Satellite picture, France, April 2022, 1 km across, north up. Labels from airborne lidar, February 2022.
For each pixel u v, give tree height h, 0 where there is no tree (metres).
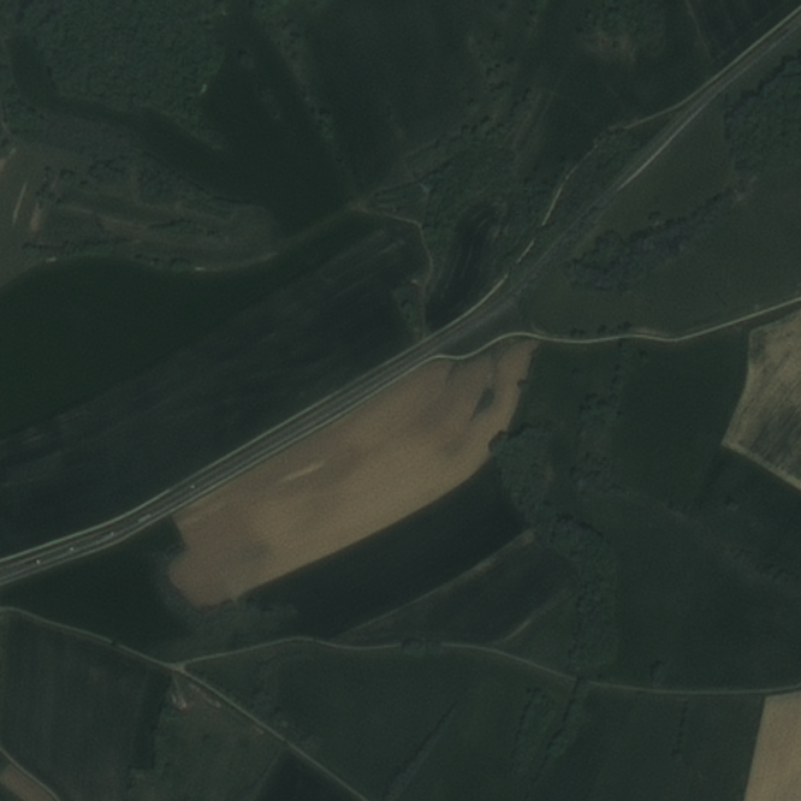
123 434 0
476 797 0
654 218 11
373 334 0
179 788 0
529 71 0
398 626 0
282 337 0
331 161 0
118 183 16
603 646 19
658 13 22
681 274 0
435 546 0
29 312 0
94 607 0
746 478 0
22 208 0
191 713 0
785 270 0
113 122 0
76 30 17
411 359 0
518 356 0
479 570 0
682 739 6
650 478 0
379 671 0
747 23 0
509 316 0
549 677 0
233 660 0
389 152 0
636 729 0
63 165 0
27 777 0
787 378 0
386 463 0
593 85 0
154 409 0
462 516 0
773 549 0
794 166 9
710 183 0
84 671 0
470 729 0
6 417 0
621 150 14
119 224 0
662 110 0
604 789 0
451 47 0
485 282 0
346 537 0
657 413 0
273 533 0
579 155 0
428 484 0
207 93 0
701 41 0
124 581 0
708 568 0
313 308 0
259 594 0
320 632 0
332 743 0
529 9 0
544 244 16
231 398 0
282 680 0
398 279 0
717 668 0
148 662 0
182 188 10
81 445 0
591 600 9
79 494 0
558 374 0
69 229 0
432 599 0
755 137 24
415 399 0
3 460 0
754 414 0
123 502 0
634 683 0
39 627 0
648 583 0
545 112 0
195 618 14
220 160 0
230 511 0
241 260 0
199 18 17
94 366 0
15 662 0
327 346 0
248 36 0
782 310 0
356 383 0
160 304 0
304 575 0
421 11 0
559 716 0
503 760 0
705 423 0
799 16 0
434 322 0
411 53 0
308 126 0
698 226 13
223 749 0
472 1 0
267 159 0
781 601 0
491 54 11
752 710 0
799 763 0
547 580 0
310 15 0
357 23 0
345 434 0
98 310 0
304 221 0
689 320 0
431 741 8
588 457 8
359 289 0
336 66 0
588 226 18
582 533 25
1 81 16
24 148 0
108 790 0
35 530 0
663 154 0
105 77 20
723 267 0
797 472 0
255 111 0
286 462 0
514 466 20
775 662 0
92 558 0
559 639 0
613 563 17
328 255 0
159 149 0
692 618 0
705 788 0
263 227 0
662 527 0
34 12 19
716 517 0
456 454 0
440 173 12
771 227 0
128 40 19
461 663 0
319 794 0
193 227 7
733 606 0
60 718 0
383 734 0
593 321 0
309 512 0
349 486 0
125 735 0
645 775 0
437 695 0
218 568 0
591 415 11
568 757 0
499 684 0
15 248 0
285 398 0
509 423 0
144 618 0
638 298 0
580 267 21
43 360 0
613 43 25
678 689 0
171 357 0
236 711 7
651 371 0
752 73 0
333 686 0
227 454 0
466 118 0
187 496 0
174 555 8
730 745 0
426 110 0
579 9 0
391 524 0
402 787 14
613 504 0
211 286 0
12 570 0
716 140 0
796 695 0
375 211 0
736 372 0
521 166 0
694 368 0
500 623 0
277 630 0
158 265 11
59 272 0
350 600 0
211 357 0
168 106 16
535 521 15
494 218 0
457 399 0
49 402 0
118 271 0
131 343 0
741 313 0
